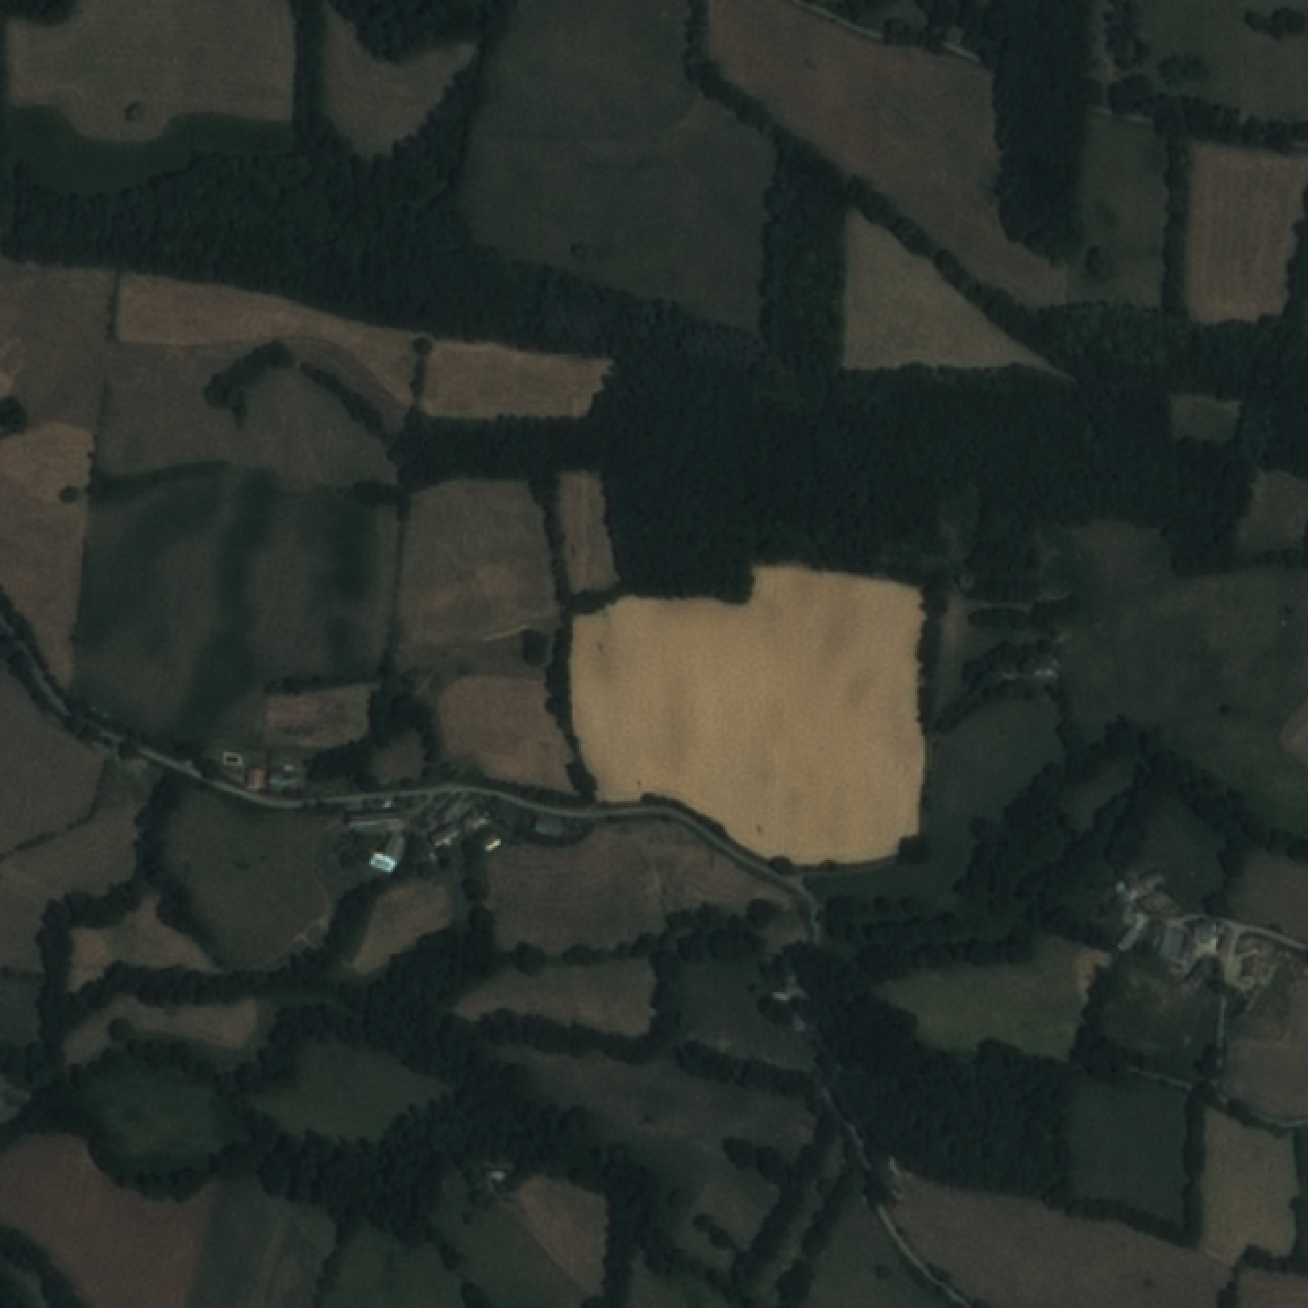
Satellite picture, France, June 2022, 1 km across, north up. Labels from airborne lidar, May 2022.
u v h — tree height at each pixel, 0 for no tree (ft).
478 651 0
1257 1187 0
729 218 0
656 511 63
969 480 48
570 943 0
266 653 0
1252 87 0
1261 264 0
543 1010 0
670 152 0
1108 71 0
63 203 31
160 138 0
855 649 0
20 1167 0
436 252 58
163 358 0
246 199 46
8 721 0
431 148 85
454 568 0
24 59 0
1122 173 0
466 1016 0
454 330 44
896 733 0
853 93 0
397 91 0
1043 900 75
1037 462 53
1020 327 51
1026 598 59
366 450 0
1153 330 57
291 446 0
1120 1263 0
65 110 0
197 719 0
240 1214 0
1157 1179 0
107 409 0
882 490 47
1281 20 49
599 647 0
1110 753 58
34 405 0
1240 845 57
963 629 0
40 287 0
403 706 65
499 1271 0
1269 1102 0
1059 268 57
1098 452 58
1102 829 41
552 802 54
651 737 0
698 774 0
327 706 0
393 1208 73
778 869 47
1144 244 0
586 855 0
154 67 0
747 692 0
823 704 0
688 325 43
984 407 41
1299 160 0
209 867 0
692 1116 0
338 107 0
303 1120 0
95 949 0
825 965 66
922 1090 81
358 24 64
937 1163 62
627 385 56
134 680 0
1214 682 0
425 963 86
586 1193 54
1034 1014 0
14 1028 0
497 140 0
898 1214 0
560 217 0
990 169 0
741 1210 0
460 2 80
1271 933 22
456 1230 0
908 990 0
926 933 73
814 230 67
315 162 55
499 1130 34
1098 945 60
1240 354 54
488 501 0
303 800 50
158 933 0
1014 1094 76
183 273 39
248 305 0
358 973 0
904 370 24
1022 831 77
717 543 69
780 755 0
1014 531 27
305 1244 0
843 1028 70
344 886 0
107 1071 24
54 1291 54
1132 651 0
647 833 0
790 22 0
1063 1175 54
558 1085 0
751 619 0
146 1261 0
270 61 0
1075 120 79
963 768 0
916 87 0
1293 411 62
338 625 0
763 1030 0
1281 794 0
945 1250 0
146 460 0
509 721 0
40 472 0
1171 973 0
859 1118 55
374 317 29
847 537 76
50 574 0
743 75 0
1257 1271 41
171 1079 0
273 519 0
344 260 41
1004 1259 0
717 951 77
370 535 0
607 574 0
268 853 0
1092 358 61
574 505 0
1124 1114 0
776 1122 0
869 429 59
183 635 0
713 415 54
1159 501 58
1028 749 0
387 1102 0
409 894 0
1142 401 46
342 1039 48
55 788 0
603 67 0
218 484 0
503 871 0
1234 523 43
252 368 40
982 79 0
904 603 0
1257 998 0
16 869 0
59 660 0
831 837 0
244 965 0
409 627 0
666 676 0
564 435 47
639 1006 0
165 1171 0
